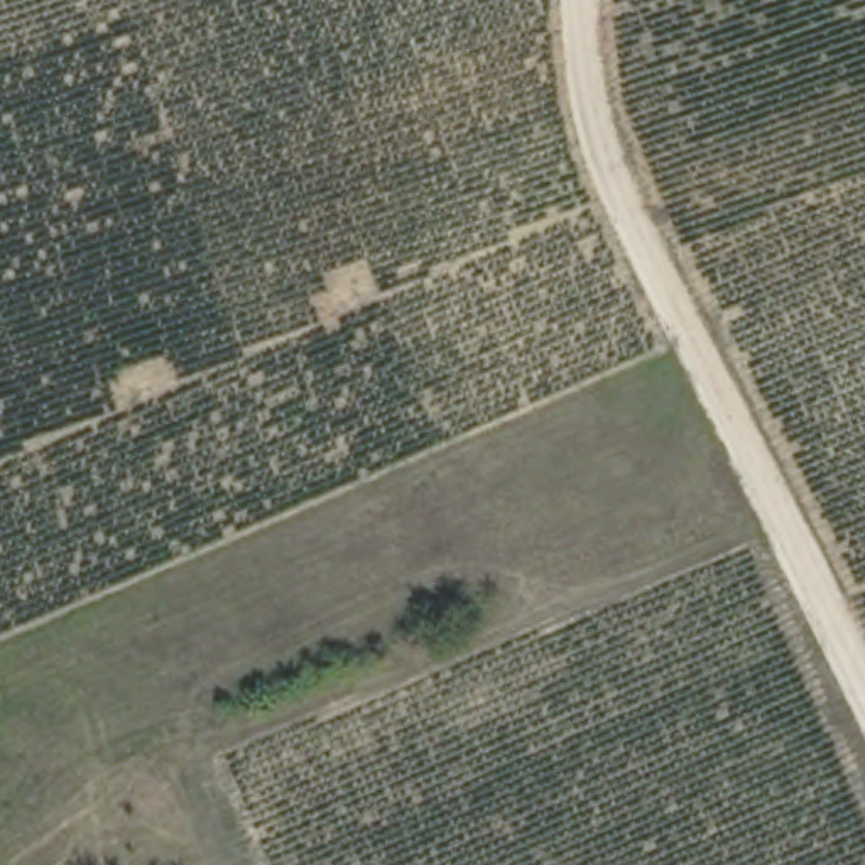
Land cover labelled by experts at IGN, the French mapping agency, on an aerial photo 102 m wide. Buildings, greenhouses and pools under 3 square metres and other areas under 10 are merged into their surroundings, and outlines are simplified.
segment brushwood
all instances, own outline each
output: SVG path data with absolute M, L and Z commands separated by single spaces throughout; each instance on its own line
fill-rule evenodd
M 226 689 L 213 689 L 213 703 L 247 710 L 250 720 L 270 720 L 280 710 L 314 696 L 331 703 L 351 696 L 358 683 L 355 672 L 372 659 L 385 656 L 382 635 L 368 632 L 351 642 L 321 639 L 314 649 L 304 649 L 297 659 L 284 666 L 253 669 Z

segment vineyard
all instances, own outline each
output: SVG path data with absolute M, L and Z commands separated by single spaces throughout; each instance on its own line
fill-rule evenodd
M 598 57 L 605 74 L 608 112 L 628 176 L 639 189 L 642 209 L 656 223 L 666 257 L 676 277 L 683 280 L 730 382 L 737 385 L 750 412 L 750 422 L 767 456 L 774 460 L 811 541 L 818 544 L 841 601 L 855 608 L 865 625 L 865 0 L 598 0 Z
M 865 865 L 865 818 L 851 797 L 848 774 L 835 753 L 835 743 L 818 723 L 814 699 L 794 662 L 787 635 L 777 625 L 774 608 L 764 608 L 760 601 L 764 581 L 757 574 L 757 564 L 750 554 L 733 554 L 710 568 L 696 568 L 676 581 L 662 581 L 642 598 L 601 605 L 598 612 L 564 625 L 561 632 L 544 635 L 541 652 L 564 656 L 568 666 L 561 672 L 527 679 L 527 689 L 537 689 L 541 696 L 527 699 L 514 713 L 490 716 L 480 726 L 466 730 L 449 730 L 446 720 L 422 723 L 426 733 L 439 737 L 436 747 L 419 750 L 416 726 L 405 723 L 399 730 L 399 750 L 389 750 L 389 737 L 375 737 L 372 750 L 355 750 L 341 760 L 331 760 L 331 753 L 324 750 L 304 757 L 307 767 L 314 767 L 314 774 L 287 774 L 287 784 L 274 808 L 280 818 L 280 831 L 260 838 L 267 855 L 260 865 Z
M 615 375 L 656 362 L 659 355 L 676 351 L 676 341 L 662 331 L 659 314 L 652 311 L 652 301 L 642 291 L 642 280 L 628 253 L 608 226 L 601 199 L 585 186 L 581 166 L 571 152 L 568 122 L 561 112 L 564 74 L 558 71 L 558 37 L 551 27 L 554 0 L 0 0 L 0 645 L 14 642 L 17 635 L 37 632 L 84 605 L 105 601 L 152 578 L 179 571 L 182 564 L 203 554 L 230 547 L 233 541 L 264 534 L 267 527 L 301 514 L 304 507 L 314 507 L 311 497 L 351 483 L 362 470 L 382 470 L 449 436 L 460 436 L 460 443 L 466 446 L 470 439 L 483 439 L 500 426 L 520 422 L 530 412 L 558 405 Z

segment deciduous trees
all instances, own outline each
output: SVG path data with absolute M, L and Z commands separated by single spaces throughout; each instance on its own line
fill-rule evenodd
M 436 588 L 416 588 L 395 618 L 395 628 L 412 645 L 426 645 L 433 659 L 463 649 L 483 625 L 483 612 L 463 591 L 463 581 L 443 578 Z

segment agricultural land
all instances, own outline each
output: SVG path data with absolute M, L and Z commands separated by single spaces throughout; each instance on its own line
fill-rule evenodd
M 416 726 L 419 750 L 436 747 L 439 737 L 426 733 L 422 723 L 446 720 L 449 730 L 466 730 L 480 726 L 490 716 L 514 713 L 527 699 L 541 696 L 537 689 L 527 689 L 527 679 L 561 672 L 568 666 L 564 656 L 541 652 L 544 635 L 561 632 L 564 625 L 598 612 L 601 605 L 642 598 L 662 581 L 676 581 L 696 568 L 710 568 L 733 554 L 750 554 L 757 564 L 770 561 L 774 554 L 774 544 L 730 463 L 730 453 L 716 436 L 706 409 L 699 405 L 689 372 L 683 368 L 676 351 L 659 355 L 656 362 L 615 375 L 558 405 L 530 412 L 520 422 L 500 426 L 483 439 L 470 439 L 466 446 L 460 443 L 460 436 L 449 436 L 382 470 L 362 470 L 351 483 L 311 497 L 314 507 L 304 507 L 301 514 L 267 527 L 264 534 L 233 541 L 230 547 L 203 554 L 182 564 L 179 571 L 152 578 L 105 601 L 84 605 L 37 632 L 17 635 L 14 642 L 0 645 L 0 865 L 260 865 L 267 855 L 260 838 L 280 831 L 280 818 L 274 808 L 287 784 L 287 774 L 314 774 L 314 767 L 307 767 L 304 757 L 324 750 L 331 753 L 331 760 L 341 760 L 355 750 L 372 750 L 375 737 L 389 737 L 389 750 L 399 750 L 399 730 L 405 723 Z M 395 628 L 395 618 L 416 588 L 436 588 L 443 578 L 463 581 L 463 591 L 483 612 L 483 625 L 463 649 L 433 659 L 426 645 L 412 645 Z M 351 696 L 331 703 L 314 696 L 280 710 L 270 720 L 250 720 L 247 710 L 213 703 L 213 689 L 226 689 L 253 669 L 284 666 L 297 659 L 304 649 L 314 649 L 321 639 L 351 642 L 368 632 L 382 635 L 385 656 L 372 659 L 355 672 L 358 683 Z

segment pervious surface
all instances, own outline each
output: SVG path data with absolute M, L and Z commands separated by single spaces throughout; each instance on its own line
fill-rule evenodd
M 652 311 L 659 314 L 662 331 L 676 341 L 676 351 L 683 368 L 689 372 L 699 405 L 706 409 L 716 436 L 730 453 L 730 463 L 774 544 L 774 554 L 865 733 L 865 625 L 855 608 L 841 601 L 818 544 L 811 541 L 774 460 L 767 456 L 750 422 L 750 412 L 737 385 L 730 382 L 683 280 L 676 277 L 666 257 L 656 223 L 642 209 L 639 189 L 628 176 L 608 112 L 605 74 L 598 57 L 598 0 L 554 0 L 551 27 L 558 37 L 558 71 L 564 74 L 561 112 L 568 122 L 571 152 L 581 166 L 585 186 L 601 199 L 608 226 L 628 253 L 642 280 L 642 291 L 652 301 Z

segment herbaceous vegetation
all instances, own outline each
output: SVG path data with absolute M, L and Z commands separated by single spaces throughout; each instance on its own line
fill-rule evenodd
M 764 608 L 774 608 L 777 625 L 787 635 L 794 662 L 814 699 L 818 723 L 835 743 L 835 753 L 848 774 L 851 797 L 865 818 L 865 733 L 774 554 L 770 561 L 757 564 L 757 574 L 764 581 L 760 601 Z

